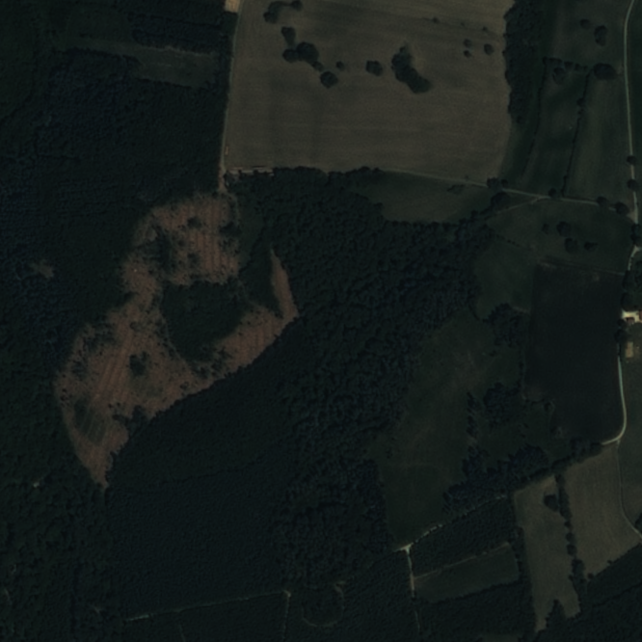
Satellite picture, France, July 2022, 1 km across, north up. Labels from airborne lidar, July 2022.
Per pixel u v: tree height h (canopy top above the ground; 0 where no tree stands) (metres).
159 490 16
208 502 16
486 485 26
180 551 16
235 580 16
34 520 19
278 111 0
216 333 14
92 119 19
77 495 26
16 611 24
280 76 0
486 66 0
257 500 15
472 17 0
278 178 17
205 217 0
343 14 0
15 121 21
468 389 0
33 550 26
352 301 25
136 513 16
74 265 13
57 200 17
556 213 0
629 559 6
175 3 13
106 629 28
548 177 0
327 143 0
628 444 0
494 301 0
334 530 37
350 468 30
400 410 26
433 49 0
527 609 15
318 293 20
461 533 12
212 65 0
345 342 21
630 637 9
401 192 0
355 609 13
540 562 0
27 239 24
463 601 15
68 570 10
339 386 24
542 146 0
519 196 0
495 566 0
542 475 17
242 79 0
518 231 0
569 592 0
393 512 0
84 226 14
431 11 0
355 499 32
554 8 0
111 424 0
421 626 6
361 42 0
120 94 28
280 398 13
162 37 20
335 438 30
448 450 0
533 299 0
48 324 24
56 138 17
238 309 19
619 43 0
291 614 9
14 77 9
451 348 0
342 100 0
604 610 15
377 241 24
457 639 10
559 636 12
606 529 0
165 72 0
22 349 23
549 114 0
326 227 20
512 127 0
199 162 13
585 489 0
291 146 0
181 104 16
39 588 23
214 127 15
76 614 28
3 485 21
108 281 12
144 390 0
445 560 7
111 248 12
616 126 0
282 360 16
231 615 11
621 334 14
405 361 28
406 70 21
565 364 0
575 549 17
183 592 15
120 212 15
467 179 10
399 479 0
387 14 0
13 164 33
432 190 0
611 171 0
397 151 0
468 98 0
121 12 15
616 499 0
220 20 14
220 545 15
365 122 0
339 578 20
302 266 18
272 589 14
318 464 7
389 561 11
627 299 12
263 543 17
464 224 16
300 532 28
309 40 0
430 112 0
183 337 16
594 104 0
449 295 26
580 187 0
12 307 23
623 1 0
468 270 19
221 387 17
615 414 0
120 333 0
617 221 0
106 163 18
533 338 0
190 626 7
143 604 16
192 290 12
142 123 16
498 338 12
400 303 22
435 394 0
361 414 25
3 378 20
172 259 7
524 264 0
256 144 0
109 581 25
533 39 18
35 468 19
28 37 12
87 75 27
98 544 24
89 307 14
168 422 17
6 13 15
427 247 22
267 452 16
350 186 19
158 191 21
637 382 0
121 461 14
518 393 18
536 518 0
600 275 0
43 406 20
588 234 0
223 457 12
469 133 0
